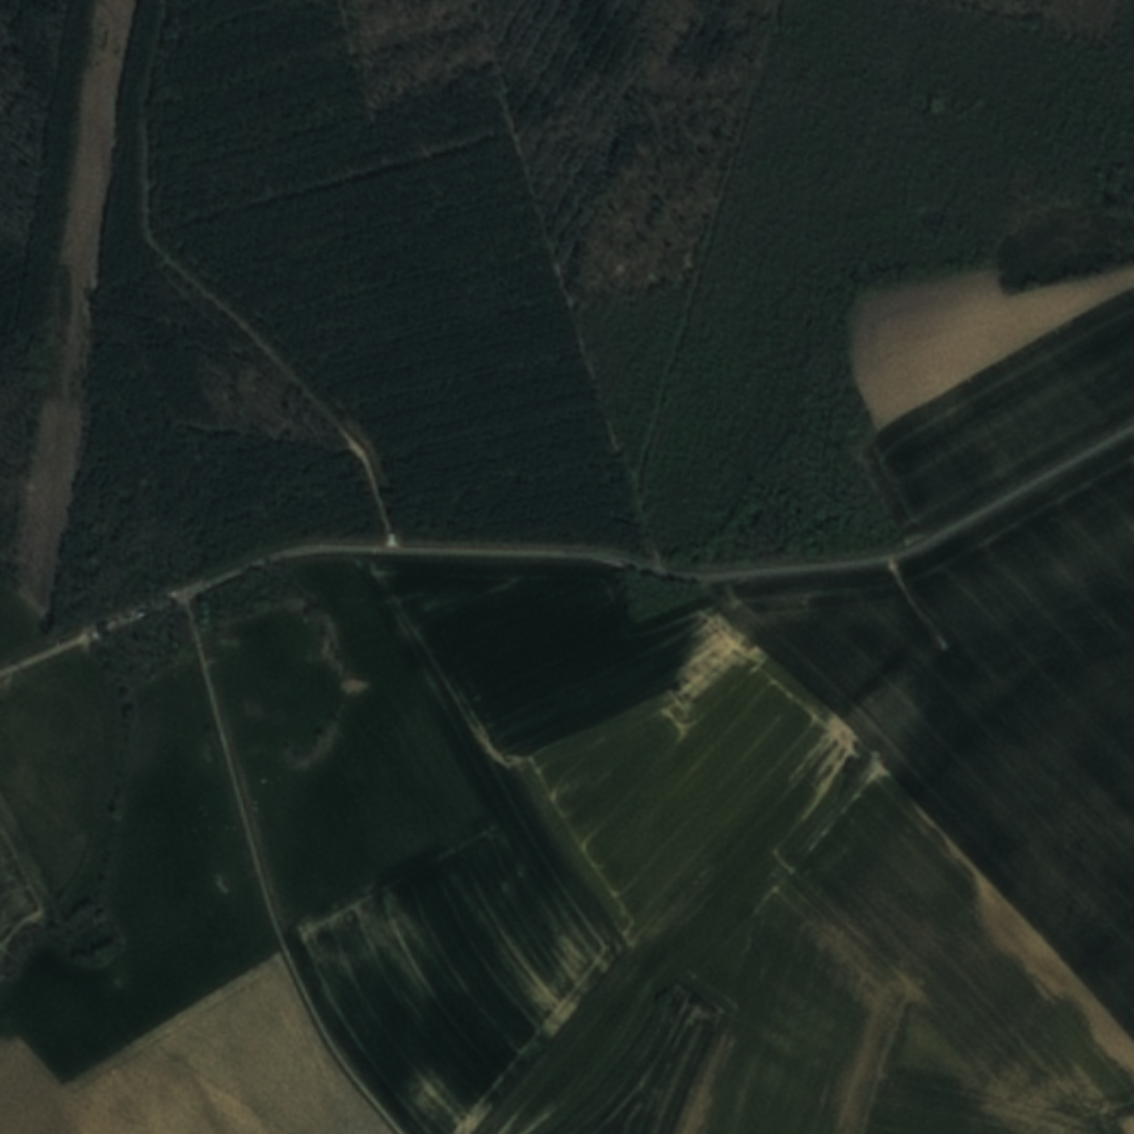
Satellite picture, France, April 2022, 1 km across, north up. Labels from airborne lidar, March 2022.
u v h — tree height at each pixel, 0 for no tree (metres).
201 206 15
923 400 0
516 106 12
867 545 11
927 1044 0
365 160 15
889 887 0
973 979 0
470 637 0
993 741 0
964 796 0
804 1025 0
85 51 13
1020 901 0
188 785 0
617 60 8
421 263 16
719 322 14
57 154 17
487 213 15
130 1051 0
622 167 18
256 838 0
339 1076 0
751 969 0
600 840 0
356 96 13
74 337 0
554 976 0
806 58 13
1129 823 0
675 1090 0
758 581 0
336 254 15
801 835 0
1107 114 10
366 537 12
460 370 15
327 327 15
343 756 0
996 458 0
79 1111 0
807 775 0
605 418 13
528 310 14
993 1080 0
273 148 13
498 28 10
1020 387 0
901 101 12
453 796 0
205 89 16
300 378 10
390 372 16
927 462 0
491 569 0
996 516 0
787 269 14
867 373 0
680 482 12
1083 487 0
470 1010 0
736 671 0
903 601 0
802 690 0
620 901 0
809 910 0
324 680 0
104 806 0
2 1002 0
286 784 0
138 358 15
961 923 0
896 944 0
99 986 0
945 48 13
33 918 0
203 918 0
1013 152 12
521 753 0
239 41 16
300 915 0
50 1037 0
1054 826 0
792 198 13
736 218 15
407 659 0
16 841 0
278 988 0
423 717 0
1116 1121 0
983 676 0
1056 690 0
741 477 14
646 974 0
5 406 18
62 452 0
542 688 0
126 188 13
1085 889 0
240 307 16
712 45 17
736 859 0
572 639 0
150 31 15
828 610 0
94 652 9
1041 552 0
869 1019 0
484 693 0
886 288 12
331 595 0
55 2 18
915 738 0
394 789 0
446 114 16
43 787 0
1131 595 0
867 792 0
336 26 14
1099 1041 0
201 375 15
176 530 18
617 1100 0
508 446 15
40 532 0
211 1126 0
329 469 13
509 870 0
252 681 0
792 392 15
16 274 17
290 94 16
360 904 0
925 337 0
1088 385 0
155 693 0
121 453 15
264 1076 0
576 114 13
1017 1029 0
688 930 0
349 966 0
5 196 16
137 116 15
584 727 0
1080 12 0
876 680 0
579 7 10
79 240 0
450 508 16
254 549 13
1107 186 13
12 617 0
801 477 18
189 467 15
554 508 16
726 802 0
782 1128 0
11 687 0
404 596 0
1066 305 0
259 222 16
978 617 0
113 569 16
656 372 12
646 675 0
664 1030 0
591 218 12
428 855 0
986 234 15
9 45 22
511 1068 0
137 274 14
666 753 0
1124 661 0
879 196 13
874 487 13
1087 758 0
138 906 0
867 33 12
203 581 10
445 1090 0
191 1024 0
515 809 0
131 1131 0
